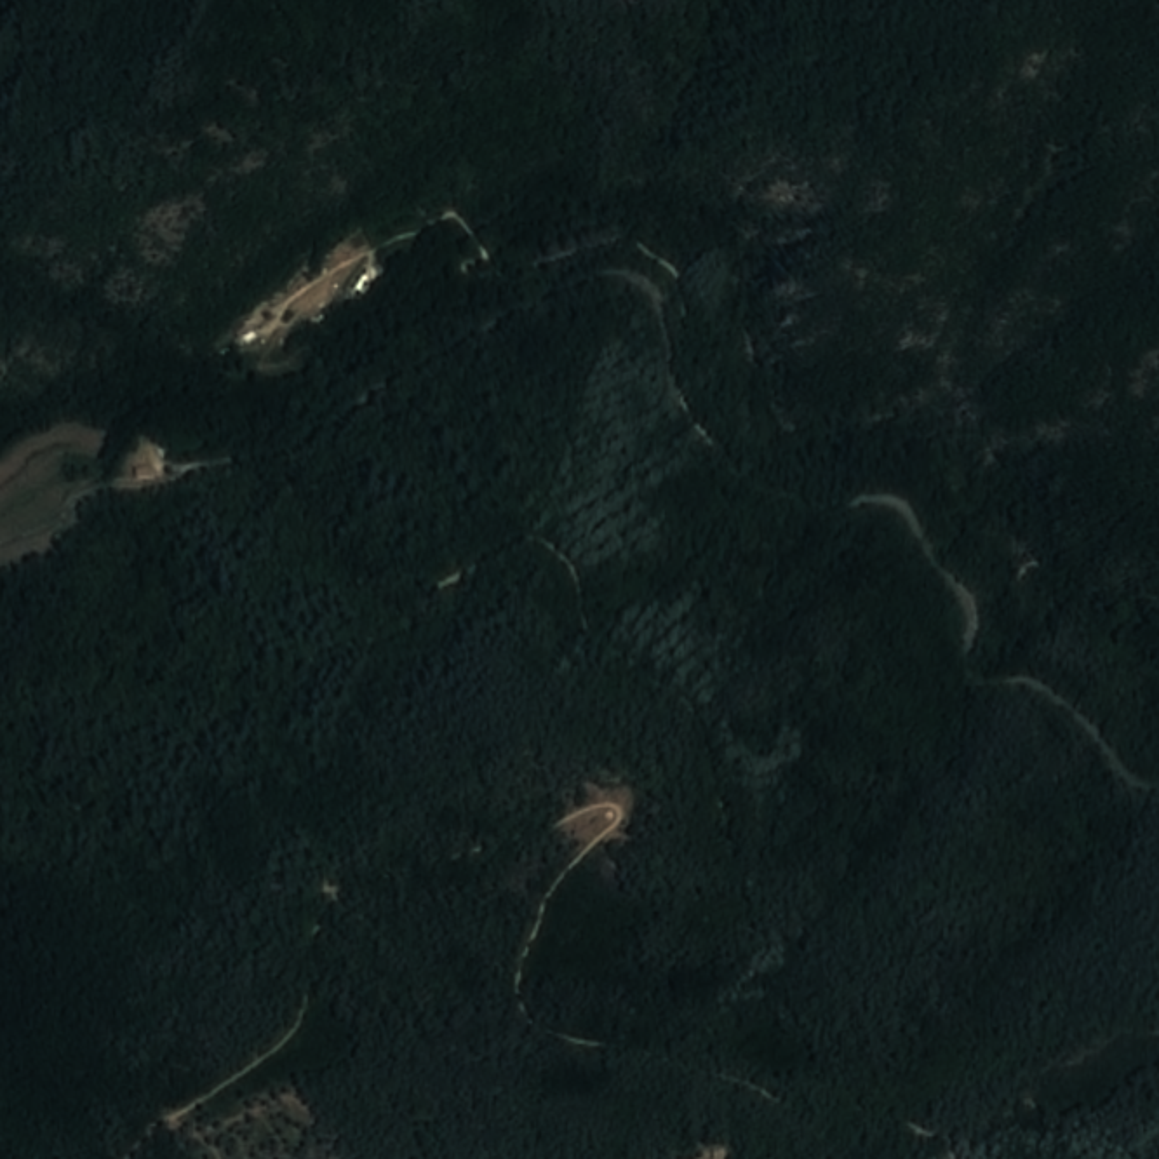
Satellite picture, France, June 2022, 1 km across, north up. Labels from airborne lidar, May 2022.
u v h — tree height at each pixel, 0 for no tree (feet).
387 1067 66
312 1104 61
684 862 62
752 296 41
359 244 0
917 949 76
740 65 57
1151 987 46
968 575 42
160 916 54
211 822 51
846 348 29
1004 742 56
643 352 60
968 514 63
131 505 40
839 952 64
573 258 29
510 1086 60
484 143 23
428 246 59
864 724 75
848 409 78
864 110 41
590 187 31
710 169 41
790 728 70
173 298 27
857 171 26
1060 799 68
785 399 20
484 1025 78
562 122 47
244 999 66
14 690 50
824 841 68
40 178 26
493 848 65
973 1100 46
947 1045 50
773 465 41
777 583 48
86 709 60
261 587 38
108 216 42
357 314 56
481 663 77
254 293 29
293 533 51
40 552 53
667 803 74
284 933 73
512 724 61
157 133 50
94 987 53
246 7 63
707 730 61
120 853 55
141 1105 45
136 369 59
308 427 45
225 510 48
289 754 44
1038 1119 25
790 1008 47
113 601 47
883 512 38
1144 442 30
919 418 53
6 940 61
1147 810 52
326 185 28
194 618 52
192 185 41
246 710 48
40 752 38
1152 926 59
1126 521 56
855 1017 50
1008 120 19
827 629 80
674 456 41
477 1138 61
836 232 31
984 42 53
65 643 50
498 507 76
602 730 50
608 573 31
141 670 75
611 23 73
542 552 36
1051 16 27
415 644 43
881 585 73
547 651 79
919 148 31
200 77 65
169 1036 47
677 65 27
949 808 59
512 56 47
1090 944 49
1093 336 40
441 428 30
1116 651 20
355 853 54
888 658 62
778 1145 57
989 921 53
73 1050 65
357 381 35
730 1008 60
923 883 52
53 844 48
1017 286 34
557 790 31
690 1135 64
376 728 58
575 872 21
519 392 39
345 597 52
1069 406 43
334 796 40
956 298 24
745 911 39
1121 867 60
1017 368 31
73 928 51
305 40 67
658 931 78
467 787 56
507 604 66
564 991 51
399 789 42
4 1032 68
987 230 20
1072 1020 58
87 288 34
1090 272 23
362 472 56
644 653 42
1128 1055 28
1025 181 55
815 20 23
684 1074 64
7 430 37
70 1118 52
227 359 43
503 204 67
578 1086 56
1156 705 58
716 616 40
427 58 47
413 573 43
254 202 36
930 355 28
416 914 58
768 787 43
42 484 0
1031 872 94
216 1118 54
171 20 36
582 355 20
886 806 59
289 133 25
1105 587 27
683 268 30
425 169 20
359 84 84
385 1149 79
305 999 60
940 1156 51
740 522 72
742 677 66
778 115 54
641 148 56
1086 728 56
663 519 45
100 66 39
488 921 68
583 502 54
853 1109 57
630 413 64
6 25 54
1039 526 44
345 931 67
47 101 37
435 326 40
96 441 0
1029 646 72
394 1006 35
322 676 68
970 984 64
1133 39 56
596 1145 67
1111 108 43
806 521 51
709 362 73
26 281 41
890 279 22
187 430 44
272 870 54
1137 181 20
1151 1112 74
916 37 60
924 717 56
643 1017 60
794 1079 61
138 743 80
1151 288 40
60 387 60
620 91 52
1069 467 45
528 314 38
